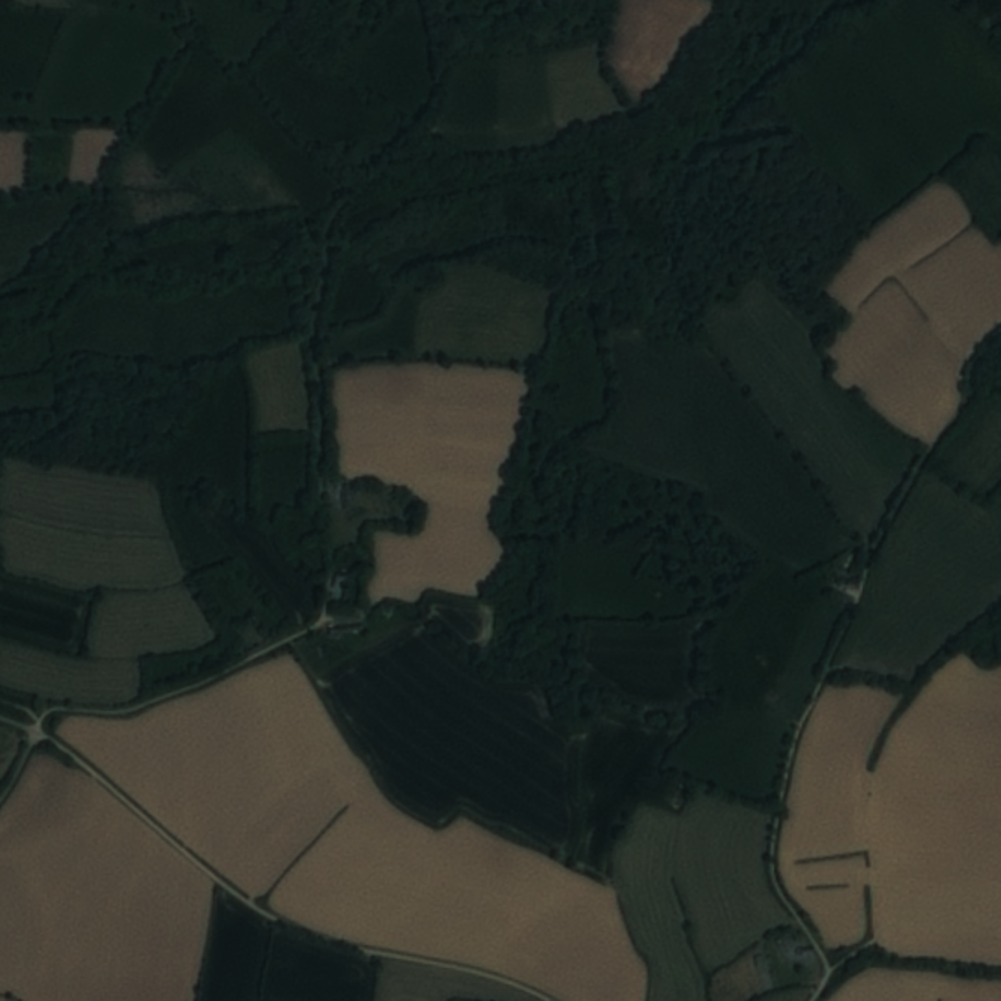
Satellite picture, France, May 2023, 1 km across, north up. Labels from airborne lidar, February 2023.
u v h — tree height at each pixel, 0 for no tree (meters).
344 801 0
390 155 19
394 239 8
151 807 0
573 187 8
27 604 0
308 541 9
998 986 0
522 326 0
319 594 15
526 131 0
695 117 14
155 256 0
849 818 0
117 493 0
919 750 0
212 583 10
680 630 0
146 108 10
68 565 0
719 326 0
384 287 7
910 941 0
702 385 0
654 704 0
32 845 0
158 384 21
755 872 0
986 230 7
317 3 18
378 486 12
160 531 0
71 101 0
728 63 7
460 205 6
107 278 7
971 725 0
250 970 0
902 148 0
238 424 0
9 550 0
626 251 23
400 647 0
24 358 0
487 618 0
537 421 14
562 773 0
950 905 0
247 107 0
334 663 0
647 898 0
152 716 0
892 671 0
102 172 11
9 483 0
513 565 8
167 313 0
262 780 0
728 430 0
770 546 0
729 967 0
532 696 0
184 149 0
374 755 0
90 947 0
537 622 11
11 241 0
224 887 0
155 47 0
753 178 20
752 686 0
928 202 0
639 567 7
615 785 0
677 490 16
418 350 0
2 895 0
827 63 0
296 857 0
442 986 0
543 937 0
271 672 0
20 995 0
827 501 10
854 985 0
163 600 0
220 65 8
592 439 11
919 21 0
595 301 20
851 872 0
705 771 0
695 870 0
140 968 0
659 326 6
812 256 23
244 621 9
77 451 18
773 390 0
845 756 0
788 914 0
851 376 0
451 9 9
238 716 0
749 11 16
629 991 0
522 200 0
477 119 0
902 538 0
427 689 0
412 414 0
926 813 0
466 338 0
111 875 0
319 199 0
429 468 0
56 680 0
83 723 0
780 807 14
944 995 0
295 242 6
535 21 19
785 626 0
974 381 15
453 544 0
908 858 0
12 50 0
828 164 0
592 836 0
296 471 0
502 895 0
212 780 0
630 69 0
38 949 0
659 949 0
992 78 0
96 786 0
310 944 15
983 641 8
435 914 0
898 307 0
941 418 0
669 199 9
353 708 0
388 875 0
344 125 0
